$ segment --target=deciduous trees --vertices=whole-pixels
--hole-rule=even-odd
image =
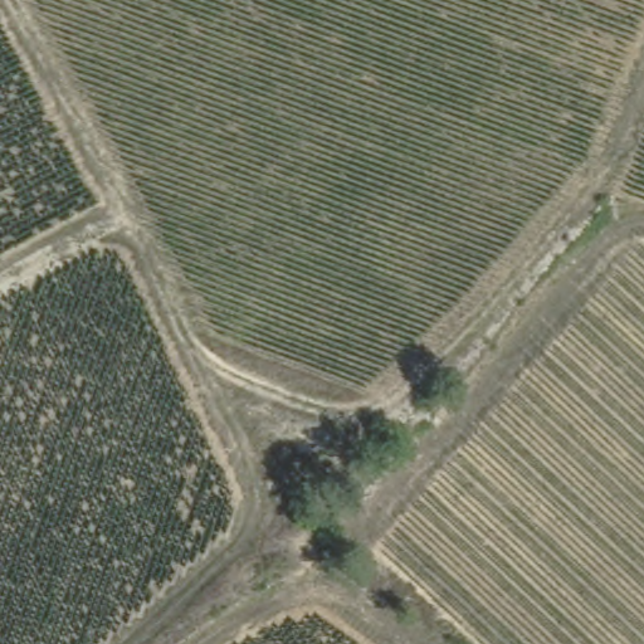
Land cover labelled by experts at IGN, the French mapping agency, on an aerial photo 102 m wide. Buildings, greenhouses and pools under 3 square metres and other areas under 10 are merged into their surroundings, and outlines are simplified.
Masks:
[[[460,410],[465,382],[460,380],[460,372],[455,367],[440,367],[438,380],[433,382],[433,400],[425,400],[418,410]]]
[[[380,566],[372,558],[372,551],[357,546],[350,553],[345,553],[340,569],[325,571],[330,584],[340,584],[350,596],[355,596],[360,586],[372,584]]]
[[[312,536],[317,528],[332,528],[337,536],[342,536],[342,531],[350,523],[357,523],[362,518],[362,488],[375,483],[375,478],[382,470],[405,470],[405,465],[415,460],[420,450],[420,443],[435,430],[435,425],[400,423],[395,428],[395,443],[367,443],[362,460],[350,463],[347,483],[337,486],[327,478],[317,483],[302,483],[292,501],[279,501],[277,513],[287,516],[297,531],[307,531]]]

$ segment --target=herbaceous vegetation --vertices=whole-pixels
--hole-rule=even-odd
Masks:
[[[337,486],[347,483],[350,463],[362,460],[367,443],[395,443],[395,428],[400,423],[435,425],[435,430],[420,443],[420,450],[425,458],[433,460],[425,468],[425,473],[435,475],[453,450],[470,440],[480,423],[491,425],[493,418],[488,413],[503,403],[503,392],[508,390],[508,385],[516,377],[521,377],[526,367],[533,365],[536,357],[541,362],[548,360],[548,355],[543,352],[546,345],[564,332],[569,319],[576,317],[579,309],[599,292],[601,282],[606,279],[604,272],[596,274],[596,279],[584,292],[576,292],[579,282],[614,244],[631,236],[644,236],[644,199],[626,191],[626,179],[636,166],[639,146],[644,141],[644,15],[636,25],[634,40],[626,43],[621,70],[614,78],[614,86],[599,88],[586,83],[584,88],[594,96],[606,98],[601,123],[596,123],[594,128],[586,158],[574,166],[574,174],[566,179],[566,184],[528,219],[528,224],[513,239],[513,244],[420,337],[423,345],[408,345],[397,357],[397,365],[382,370],[367,385],[357,385],[347,377],[322,372],[284,355],[244,345],[242,340],[221,335],[209,322],[209,317],[204,314],[204,297],[196,292],[196,284],[186,279],[186,274],[179,269],[174,252],[161,242],[161,236],[156,236],[156,221],[148,211],[143,194],[133,184],[128,186],[118,148],[101,128],[101,121],[93,116],[93,103],[86,98],[86,86],[78,83],[78,75],[68,65],[65,53],[58,48],[58,40],[48,33],[48,15],[33,10],[33,0],[0,0],[0,35],[8,40],[23,70],[28,73],[30,86],[40,96],[43,116],[55,126],[58,138],[63,138],[81,181],[96,196],[96,204],[81,211],[70,211],[65,219],[55,219],[50,226],[33,231],[33,236],[28,236],[18,247],[0,252],[0,289],[10,292],[20,287],[33,287],[38,277],[73,262],[78,254],[88,249],[116,252],[118,259],[123,259],[126,272],[136,284],[136,292],[141,294],[151,322],[156,325],[169,362],[176,370],[179,382],[186,392],[186,408],[196,415],[201,433],[211,448],[211,455],[221,465],[229,486],[231,511],[226,528],[219,531],[216,538],[209,541],[206,548],[196,553],[191,561],[174,564],[174,574],[166,581],[151,581],[148,601],[141,601],[138,609],[131,611],[128,621],[111,626],[98,644],[239,644],[244,639],[259,636],[269,626],[284,624],[287,619],[299,621],[304,616],[319,616],[330,621],[357,644],[470,644],[448,621],[435,616],[435,611],[415,594],[413,586],[403,584],[395,574],[380,566],[372,584],[360,586],[355,596],[350,596],[340,584],[330,584],[325,571],[340,569],[345,553],[350,553],[357,546],[355,541],[347,541],[342,536],[337,536],[332,528],[317,528],[312,536],[307,531],[297,531],[287,516],[277,513],[279,501],[292,501],[302,483],[317,483],[327,478]],[[465,382],[460,410],[418,410],[425,400],[433,400],[433,382],[438,380],[440,367],[455,367],[460,372],[460,380]]]

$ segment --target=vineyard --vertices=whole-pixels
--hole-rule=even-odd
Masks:
[[[284,624],[269,626],[259,636],[244,639],[239,644],[357,644],[330,621],[319,616],[304,616],[299,621],[287,619]]]
[[[599,292],[579,309],[576,317],[569,319],[564,332],[546,345],[543,352],[548,355],[548,360],[541,362],[536,357],[533,365],[526,367],[521,377],[516,377],[508,385],[508,390],[503,392],[503,403],[488,413],[493,418],[491,425],[480,423],[470,440],[453,450],[435,475],[425,473],[425,468],[433,460],[425,458],[420,450],[415,460],[405,465],[405,470],[382,470],[375,478],[375,483],[362,488],[362,518],[357,523],[350,523],[342,531],[342,536],[347,541],[355,541],[357,546],[372,551],[372,558],[380,566],[395,574],[403,584],[413,586],[415,594],[435,611],[435,616],[448,621],[470,644],[644,644],[644,236],[631,236],[614,244],[579,282],[576,292],[584,292],[596,279],[596,274],[604,272],[606,279],[601,282]]]
[[[636,25],[644,15],[644,0],[33,0],[33,10],[48,15],[48,33],[58,40],[58,48],[65,53],[68,65],[78,75],[78,83],[86,86],[86,98],[93,103],[93,116],[101,121],[101,128],[118,148],[128,186],[133,184],[143,194],[148,211],[156,221],[156,236],[161,236],[161,242],[174,252],[179,269],[186,274],[186,279],[196,284],[196,292],[204,297],[204,314],[209,317],[209,322],[221,335],[242,340],[244,345],[284,355],[322,372],[347,377],[357,385],[367,385],[382,370],[397,365],[397,357],[408,345],[423,345],[420,337],[513,244],[513,239],[528,224],[528,219],[566,184],[566,179],[574,174],[574,166],[586,158],[594,128],[596,123],[601,123],[606,98],[594,96],[584,88],[586,83],[599,88],[614,86],[614,78],[621,70],[626,43],[634,40]]]
[[[626,179],[626,191],[644,199],[644,141],[639,146],[636,166]]]
[[[148,601],[151,581],[166,581],[174,574],[174,564],[191,561],[196,553],[206,548],[209,541],[216,538],[219,531],[226,528],[231,511],[229,486],[221,465],[211,455],[211,448],[201,433],[196,415],[186,408],[186,392],[179,382],[176,370],[169,362],[156,325],[151,322],[141,294],[136,292],[136,284],[126,272],[123,259],[118,259],[116,252],[88,249],[78,254],[73,262],[38,277],[33,287],[20,287],[10,292],[0,289],[0,644],[98,644],[111,626],[128,621],[131,611],[138,609],[141,601]]]
[[[28,73],[23,70],[8,40],[0,35],[0,252],[18,247],[28,236],[33,236],[33,231],[50,226],[55,219],[65,219],[70,211],[81,211],[96,204],[96,196],[81,181],[63,138],[58,138],[55,126],[43,116],[40,96],[30,86]]]

